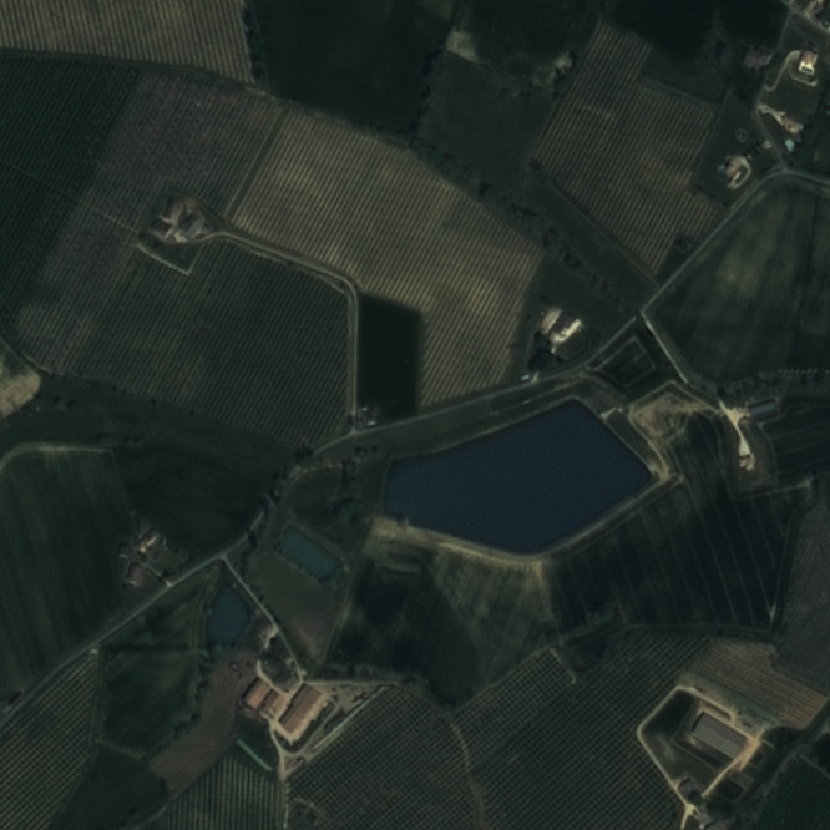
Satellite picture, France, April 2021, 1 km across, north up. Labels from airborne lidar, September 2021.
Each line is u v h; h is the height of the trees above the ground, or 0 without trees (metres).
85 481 0
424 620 0
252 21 22
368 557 0
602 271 0
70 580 0
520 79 0
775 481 0
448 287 0
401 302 0
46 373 0
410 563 0
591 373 0
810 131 15
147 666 0
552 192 0
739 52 0
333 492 0
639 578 0
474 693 0
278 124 0
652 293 0
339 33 0
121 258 6
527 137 0
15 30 6
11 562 0
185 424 0
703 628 0
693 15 0
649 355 0
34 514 0
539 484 0
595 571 0
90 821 0
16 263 5
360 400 0
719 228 0
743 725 0
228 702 0
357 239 0
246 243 0
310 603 0
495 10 0
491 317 0
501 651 0
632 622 0
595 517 0
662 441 0
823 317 0
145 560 7
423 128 15
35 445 0
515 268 0
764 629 0
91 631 0
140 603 0
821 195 0
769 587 0
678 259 0
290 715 0
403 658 0
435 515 0
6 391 0
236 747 0
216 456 0
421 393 0
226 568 7
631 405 0
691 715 0
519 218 18
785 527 0
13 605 0
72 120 6
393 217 0
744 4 0
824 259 0
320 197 0
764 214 0
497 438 0
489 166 0
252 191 0
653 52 0
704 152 0
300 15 0
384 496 0
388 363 0
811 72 0
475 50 0
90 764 0
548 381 0
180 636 0
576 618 0
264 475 0
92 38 5
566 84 30
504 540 0
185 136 6
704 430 0
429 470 0
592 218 0
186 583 0
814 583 6
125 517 0
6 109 6
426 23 0
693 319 0
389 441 0
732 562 0
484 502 0
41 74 7
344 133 0
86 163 5
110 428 0
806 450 0
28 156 6
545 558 0
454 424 0
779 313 0
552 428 0
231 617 0
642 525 0
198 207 0
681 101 0
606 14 6
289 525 0
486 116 0
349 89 0
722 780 0
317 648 0
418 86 0
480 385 0
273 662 9
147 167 6
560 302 0
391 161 0
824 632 6
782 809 5
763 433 0
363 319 0
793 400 0
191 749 0
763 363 0
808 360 0
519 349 12
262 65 22
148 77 6
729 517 0
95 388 0
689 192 0
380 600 0
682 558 0
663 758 0
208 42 6
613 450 0
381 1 0
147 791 0
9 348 0
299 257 0
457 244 0
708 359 0
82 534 0
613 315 0
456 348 0
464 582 0
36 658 0
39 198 6
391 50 0
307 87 0
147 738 0
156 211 0
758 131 0
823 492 13
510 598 0
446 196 0
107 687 0
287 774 0
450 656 0
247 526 0
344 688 0
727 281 0
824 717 0
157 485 0
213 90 7
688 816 0
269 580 0
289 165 0
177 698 0
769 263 0
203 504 0
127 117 6
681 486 0
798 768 6
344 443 0
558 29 0
